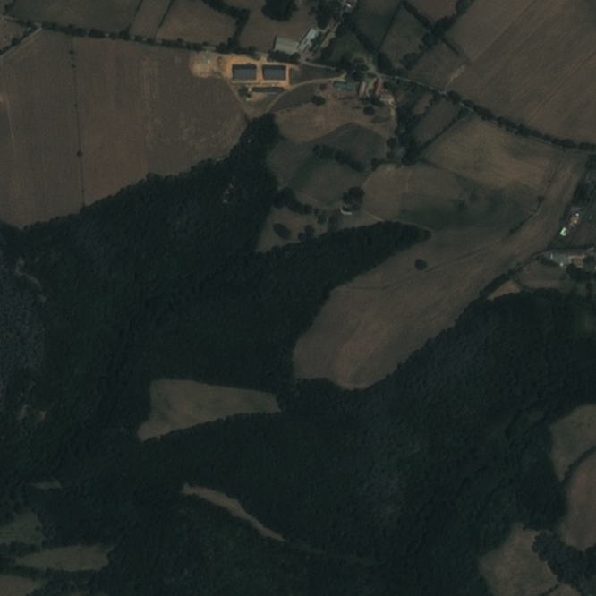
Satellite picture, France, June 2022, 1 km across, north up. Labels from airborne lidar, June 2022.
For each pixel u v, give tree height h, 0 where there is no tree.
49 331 13
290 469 15
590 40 0
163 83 0
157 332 17
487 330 24
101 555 0
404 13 0
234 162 15
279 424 20
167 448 20
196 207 12
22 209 0
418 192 0
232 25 0
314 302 15
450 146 0
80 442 25
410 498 19
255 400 0
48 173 0
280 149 0
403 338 0
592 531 0
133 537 17
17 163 0
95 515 25
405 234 21
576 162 0
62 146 0
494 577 0
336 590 14
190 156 0
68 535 23
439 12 0
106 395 27
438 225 0
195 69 0
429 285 0
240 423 19
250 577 15
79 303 12
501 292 0
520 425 12
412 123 9
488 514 17
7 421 16
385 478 25
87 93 0
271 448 20
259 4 0
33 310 20
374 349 0
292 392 19
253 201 21
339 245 23
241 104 0
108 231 22
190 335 16
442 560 15
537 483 17
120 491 22
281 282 13
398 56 0
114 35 12
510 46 0
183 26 0
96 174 0
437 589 18
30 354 21
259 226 13
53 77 0
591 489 0
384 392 18
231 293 15
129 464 17
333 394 15
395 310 0
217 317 17
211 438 20
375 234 20
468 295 0
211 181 16
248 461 17
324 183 0
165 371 13
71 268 13
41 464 11
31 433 13
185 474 22
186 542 10
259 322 21
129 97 0
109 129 0
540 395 22
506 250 0
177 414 0
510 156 0
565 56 0
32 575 15
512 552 0
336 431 19
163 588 22
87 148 0
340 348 0
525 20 0
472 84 0
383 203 0
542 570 0
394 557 26
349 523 10
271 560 21
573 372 17
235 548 17
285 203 18
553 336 10
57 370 12
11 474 18
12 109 0
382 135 0
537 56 0
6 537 0
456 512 14
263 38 0
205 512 18
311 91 0
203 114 0
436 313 0
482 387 12
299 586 21
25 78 0
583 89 0
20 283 16
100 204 15
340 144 0
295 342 9
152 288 24
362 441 14
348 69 16
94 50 0
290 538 24
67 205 0
